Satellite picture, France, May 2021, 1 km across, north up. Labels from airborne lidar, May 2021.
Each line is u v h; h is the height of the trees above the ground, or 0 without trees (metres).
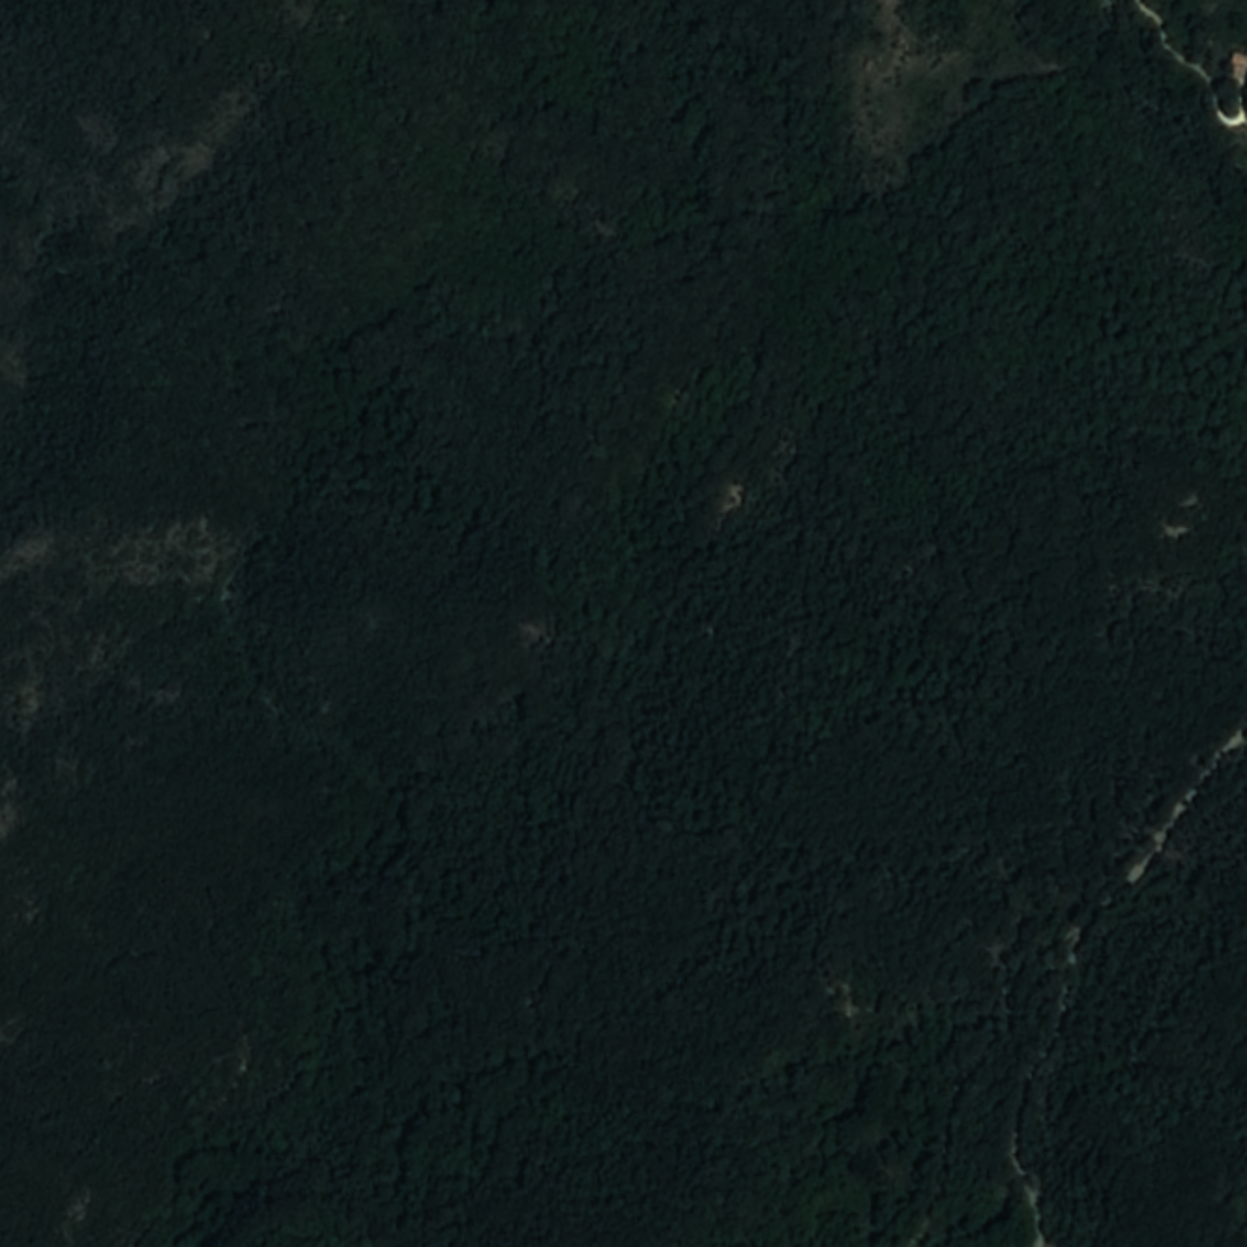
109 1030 11
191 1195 19
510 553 18
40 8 12
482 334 16
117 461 13
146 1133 6
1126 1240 15
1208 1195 13
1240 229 13
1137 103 15
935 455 19
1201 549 13
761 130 20
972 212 11
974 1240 18
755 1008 14
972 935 13
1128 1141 14
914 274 15
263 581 13
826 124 12
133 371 12
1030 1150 9
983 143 11
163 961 11
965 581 8
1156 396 7
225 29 11
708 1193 20
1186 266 11
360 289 15
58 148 6
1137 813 14
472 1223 22
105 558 8
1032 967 17
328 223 16
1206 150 22
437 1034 18
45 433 9
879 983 8
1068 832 11
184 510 13
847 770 13
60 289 19
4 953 9
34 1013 14
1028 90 12
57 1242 7
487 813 14
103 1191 10
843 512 17
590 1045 17
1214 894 15
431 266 17
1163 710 15
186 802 12
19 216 12
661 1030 20
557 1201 20
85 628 8
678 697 15
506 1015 13
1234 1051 14
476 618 13
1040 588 14
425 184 12
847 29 10
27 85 5
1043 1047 10
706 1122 21
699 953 11
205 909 7
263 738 14
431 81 9
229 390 16
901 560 12
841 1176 8
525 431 16
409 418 11
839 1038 11
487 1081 27
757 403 9
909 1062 15
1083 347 13
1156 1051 14
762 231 18
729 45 13
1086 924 11
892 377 14
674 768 8
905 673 17
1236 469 14
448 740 22
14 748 10
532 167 10
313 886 18
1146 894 6
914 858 16
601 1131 20
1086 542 11
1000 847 15
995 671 14
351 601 8
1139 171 10
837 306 13
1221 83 10
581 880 19
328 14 8
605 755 16
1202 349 18
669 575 11
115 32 17
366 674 12
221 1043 9
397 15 19
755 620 13
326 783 16
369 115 13
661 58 17
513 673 19
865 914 12
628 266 19
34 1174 9
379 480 23
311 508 25
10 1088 19
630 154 14
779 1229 18
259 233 15
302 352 20
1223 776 13
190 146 7
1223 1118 12
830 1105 8
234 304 15
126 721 12
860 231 15
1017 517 15
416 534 20
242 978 10
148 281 10
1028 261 11
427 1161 17
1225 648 10
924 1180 16
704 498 15
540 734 15
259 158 13
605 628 8
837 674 10
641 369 15
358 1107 17
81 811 11
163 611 13
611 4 16
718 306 14
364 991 20
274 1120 22
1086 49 17
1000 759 20
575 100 20
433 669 14
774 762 14
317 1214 15
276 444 20
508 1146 21
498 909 17
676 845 19
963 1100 16
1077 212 10
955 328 13
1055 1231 8
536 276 15
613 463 16
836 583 15
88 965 13
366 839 14
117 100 9
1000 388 13
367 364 22
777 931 12
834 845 14
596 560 12
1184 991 12
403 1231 29
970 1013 20
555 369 13
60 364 19
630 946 18
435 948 19
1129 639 12
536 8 15
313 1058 16
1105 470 10
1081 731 13
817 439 11
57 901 13
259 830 13
